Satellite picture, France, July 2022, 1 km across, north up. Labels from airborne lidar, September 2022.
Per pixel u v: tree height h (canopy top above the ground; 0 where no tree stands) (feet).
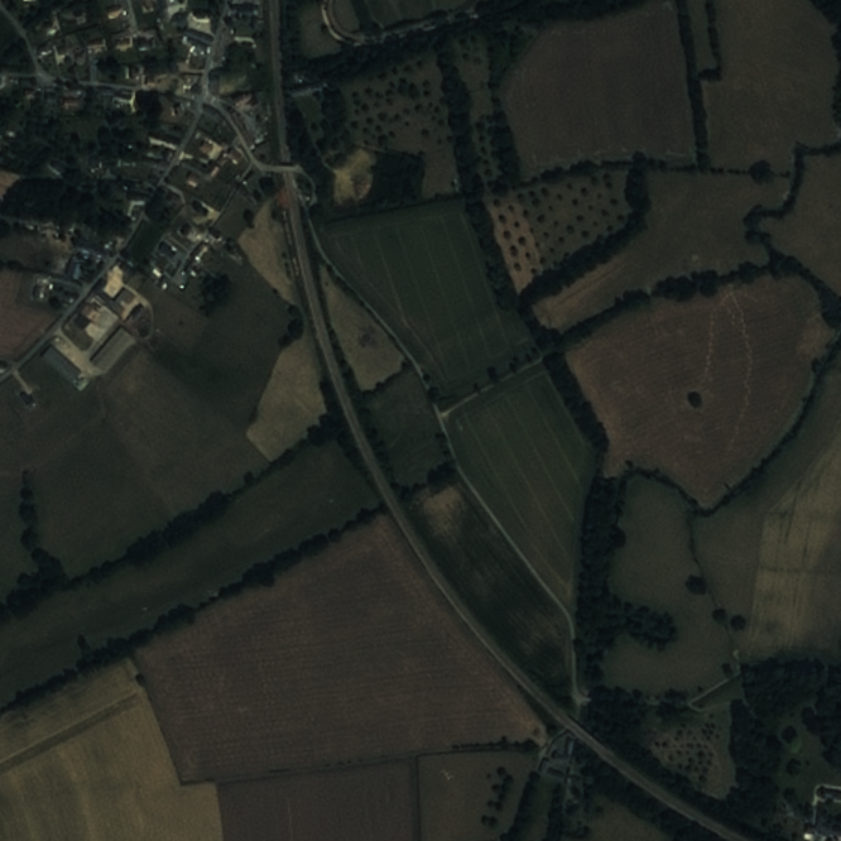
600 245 43
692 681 0
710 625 0
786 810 28
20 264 25
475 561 0
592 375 0
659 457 0
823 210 0
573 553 0
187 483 0
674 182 0
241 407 0
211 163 30
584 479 0
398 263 0
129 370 0
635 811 37
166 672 0
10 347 0
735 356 0
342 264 0
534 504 0
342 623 0
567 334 20
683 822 51
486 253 75
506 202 0
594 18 41
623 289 0
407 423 0
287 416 0
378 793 0
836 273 0
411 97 23
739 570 0
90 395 0
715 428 0
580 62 0
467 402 0
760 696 64
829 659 0
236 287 0
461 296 0
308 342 0
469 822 0
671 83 0
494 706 0
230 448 0
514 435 0
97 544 0
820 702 101
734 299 0
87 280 19
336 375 0
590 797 41
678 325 0
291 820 0
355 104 20
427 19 22
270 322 0
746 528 0
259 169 0
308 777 0
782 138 0
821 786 0
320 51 0
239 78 0
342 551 0
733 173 20
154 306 0
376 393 22
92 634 0
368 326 0
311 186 28
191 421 0
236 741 0
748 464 0
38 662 0
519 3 24
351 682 0
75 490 0
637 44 0
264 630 0
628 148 0
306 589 0
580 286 0
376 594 0
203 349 0
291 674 0
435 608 0
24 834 0
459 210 0
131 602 0
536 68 0
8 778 0
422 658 0
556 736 41
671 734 0
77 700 0
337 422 54
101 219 53
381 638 0
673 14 0
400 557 0
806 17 0
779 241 0
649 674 0
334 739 0
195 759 0
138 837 0
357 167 0
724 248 0
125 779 0
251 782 0
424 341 0
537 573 0
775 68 0
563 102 0
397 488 43
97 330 0
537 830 0
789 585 0
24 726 0
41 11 38
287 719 0
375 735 0
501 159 67
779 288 0
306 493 0
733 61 0
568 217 0
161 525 0
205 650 0
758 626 0
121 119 53
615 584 0
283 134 0
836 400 0
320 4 34
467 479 0
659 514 0
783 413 0
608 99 0
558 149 0
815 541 0
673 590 0
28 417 0
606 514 73
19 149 19
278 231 0
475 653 0
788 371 0
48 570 59
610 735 70
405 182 22
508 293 93
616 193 0
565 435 0
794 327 0
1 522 0
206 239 0
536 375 0
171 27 0
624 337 0
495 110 20
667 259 0
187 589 0
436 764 0
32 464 0
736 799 63
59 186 48
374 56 58
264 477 22
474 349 0
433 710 0
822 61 0
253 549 0
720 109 0
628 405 0
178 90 0
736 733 63
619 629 38
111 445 0
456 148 43
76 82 40
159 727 0
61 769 0
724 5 0
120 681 0
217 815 0
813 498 0
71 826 0
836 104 24
